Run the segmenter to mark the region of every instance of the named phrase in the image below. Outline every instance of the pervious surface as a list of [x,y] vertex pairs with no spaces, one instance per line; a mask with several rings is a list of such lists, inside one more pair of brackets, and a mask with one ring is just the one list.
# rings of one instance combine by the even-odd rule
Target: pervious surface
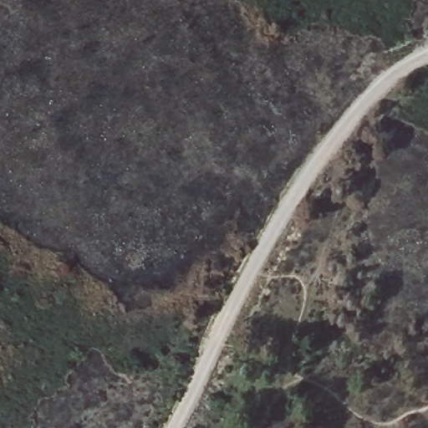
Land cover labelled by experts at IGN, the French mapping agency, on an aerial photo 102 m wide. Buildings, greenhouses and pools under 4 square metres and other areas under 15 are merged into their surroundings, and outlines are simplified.
[[374,107],[381,99],[385,99],[386,92],[395,87],[398,80],[405,79],[406,75],[423,65],[428,65],[428,43],[415,48],[405,59],[376,75],[368,89],[354,100],[343,117],[334,124],[333,129],[329,130],[324,139],[314,147],[303,166],[294,172],[293,179],[288,182],[289,189],[281,194],[278,209],[267,217],[266,227],[261,231],[256,249],[242,259],[241,267],[237,269],[239,276],[232,278],[234,288],[229,296],[221,311],[211,316],[211,324],[199,346],[199,358],[194,366],[194,374],[187,386],[186,395],[177,403],[164,428],[184,428],[187,418],[196,408],[212,366],[216,363],[217,354],[221,353],[224,341],[231,333],[237,314],[241,313],[244,318],[252,318],[257,311],[261,311],[262,298],[269,294],[269,291],[269,283],[273,279],[296,279],[301,284],[301,293],[303,298],[296,321],[303,321],[304,314],[308,314],[308,299],[308,283],[304,276],[298,273],[276,274],[278,267],[269,266],[266,262],[274,242],[278,241],[284,227],[296,211],[296,206],[303,199],[316,176],[323,172],[328,160],[341,149],[344,140],[358,127],[363,115]]
[[393,428],[410,415],[428,411],[428,405],[401,410],[395,418],[388,421],[359,413],[351,406],[348,411],[354,418],[368,421],[374,428]]

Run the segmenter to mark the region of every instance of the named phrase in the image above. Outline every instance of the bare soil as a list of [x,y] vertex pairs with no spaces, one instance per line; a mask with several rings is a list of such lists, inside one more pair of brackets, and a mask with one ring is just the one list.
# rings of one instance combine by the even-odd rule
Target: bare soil
[[383,120],[376,122],[374,134],[376,140],[383,145],[380,166],[374,169],[374,176],[381,182],[378,194],[371,197],[369,202],[364,199],[361,202],[356,201],[339,211],[329,212],[328,216],[321,219],[309,217],[308,204],[303,199],[296,206],[296,211],[284,227],[278,241],[274,242],[266,262],[269,266],[278,267],[276,274],[298,273],[304,276],[308,283],[308,299],[323,299],[334,308],[349,309],[353,304],[349,294],[343,299],[336,296],[336,286],[344,283],[344,274],[353,269],[353,257],[356,257],[363,259],[364,266],[380,264],[376,271],[368,273],[368,278],[378,279],[386,271],[403,271],[403,286],[400,293],[386,304],[385,316],[378,319],[378,323],[405,326],[406,323],[416,323],[416,314],[428,313],[428,135],[403,124],[400,120],[393,119],[391,110],[395,107],[395,102],[385,99],[381,99],[374,107],[383,114]]
[[90,351],[87,358],[80,361],[79,366],[74,369],[74,373],[70,374],[67,390],[57,391],[55,398],[40,401],[40,405],[33,411],[33,428],[149,428],[155,418],[152,403],[155,398],[149,395],[150,386],[144,386],[144,381],[137,380],[127,373],[119,373],[117,376],[110,373],[109,368],[105,368],[102,363],[100,354],[97,351]]
[[279,289],[286,289],[293,294],[301,293],[301,284],[296,279],[273,279],[269,283],[269,291],[278,298]]
[[289,189],[288,182],[293,179],[294,172],[303,166],[314,147],[324,139],[329,130],[333,129],[334,124],[343,117],[354,100],[368,89],[376,75],[405,59],[415,48],[428,43],[428,0],[415,0],[410,17],[403,23],[405,27],[410,28],[411,37],[396,43],[393,47],[381,50],[380,43],[376,42],[378,37],[374,35],[366,35],[364,38],[349,37],[344,30],[333,30],[333,27],[324,25],[289,27],[288,33],[281,32],[276,23],[271,25],[264,20],[261,8],[249,7],[242,0],[0,0],[0,222],[17,232],[18,236],[27,239],[28,244],[43,251],[55,252],[59,261],[64,262],[74,276],[87,273],[95,281],[105,284],[114,293],[117,303],[124,306],[125,311],[149,308],[159,291],[174,291],[176,286],[186,283],[187,274],[194,264],[206,264],[207,288],[226,291],[229,296],[234,288],[232,278],[239,276],[237,269],[241,267],[242,259],[256,249],[261,231],[266,227],[267,217],[278,209],[281,194]]

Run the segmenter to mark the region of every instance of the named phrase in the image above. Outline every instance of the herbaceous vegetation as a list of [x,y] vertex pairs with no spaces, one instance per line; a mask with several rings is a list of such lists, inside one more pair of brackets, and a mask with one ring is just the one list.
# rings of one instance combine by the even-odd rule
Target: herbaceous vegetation
[[324,25],[333,27],[333,30],[344,30],[349,37],[364,38],[366,35],[374,35],[378,37],[376,42],[380,43],[381,50],[393,47],[396,43],[411,37],[410,28],[405,27],[403,23],[410,17],[415,0],[242,0],[249,7],[261,8],[264,20],[271,25],[276,23],[281,32],[288,33],[289,27]]
[[405,79],[398,80],[395,87],[386,92],[385,99],[395,102],[395,107],[391,110],[393,119],[400,120],[403,124],[428,135],[428,65],[423,65],[406,75]]
[[303,298],[301,293],[293,294],[286,289],[279,289],[278,298],[269,291],[269,294],[262,298],[261,311],[257,311],[252,318],[244,318],[241,313],[237,314],[231,333],[224,341],[221,353],[217,354],[216,363],[212,366],[196,408],[187,418],[184,428],[209,428],[202,423],[211,408],[209,396],[226,386],[224,376],[227,376],[227,373],[242,366],[246,368],[246,359],[241,358],[241,351],[244,353],[249,346],[247,336],[251,334],[251,324],[259,329],[266,329],[273,338],[273,346],[267,349],[267,353],[278,359],[271,363],[271,373],[296,374],[299,371],[301,353],[299,346],[291,341],[293,336],[308,338],[311,346],[321,349],[333,341],[341,341],[341,336],[346,333],[338,324],[331,324],[334,308],[323,299],[308,299],[308,314],[304,314],[303,321],[296,321]]
[[164,428],[177,403],[186,395],[187,386],[194,374],[194,366],[199,358],[199,346],[211,324],[211,316],[221,311],[229,296],[226,291],[207,288],[206,264],[194,264],[187,274],[186,283],[176,286],[174,291],[159,291],[149,308],[125,311],[124,306],[117,303],[114,293],[105,284],[95,281],[87,273],[74,276],[64,262],[59,261],[55,252],[43,251],[28,244],[27,239],[18,236],[17,232],[0,222],[0,428],[33,428],[33,411],[40,405],[40,401],[55,398],[57,391],[67,390],[70,374],[74,373],[74,369],[79,366],[80,361],[87,358],[90,351],[97,351],[100,354],[102,363],[105,368],[109,368],[110,373],[117,376],[119,373],[127,373],[137,380],[144,381],[144,386],[150,386],[149,395],[155,398],[152,403],[155,418],[149,428]]

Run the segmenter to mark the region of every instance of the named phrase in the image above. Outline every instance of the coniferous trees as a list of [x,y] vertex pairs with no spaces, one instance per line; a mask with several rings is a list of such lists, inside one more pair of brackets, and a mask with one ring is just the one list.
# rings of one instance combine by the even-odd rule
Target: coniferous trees
[[386,271],[378,279],[368,278],[368,273],[376,271],[380,264],[364,266],[363,259],[356,257],[353,257],[353,269],[344,274],[344,283],[336,286],[336,296],[343,299],[349,294],[353,304],[349,309],[334,308],[331,324],[338,324],[346,333],[341,336],[341,341],[333,341],[321,349],[311,346],[308,338],[293,336],[291,341],[299,346],[301,353],[299,371],[296,374],[271,373],[271,363],[278,359],[267,353],[267,349],[273,346],[273,338],[266,329],[259,329],[251,324],[251,334],[247,336],[249,346],[244,353],[241,351],[241,358],[246,359],[246,368],[242,366],[227,373],[227,376],[224,376],[226,386],[209,396],[211,408],[202,423],[209,428],[374,428],[368,421],[354,418],[348,411],[351,406],[359,413],[388,421],[395,418],[401,410],[428,405],[428,313],[416,314],[416,323],[406,323],[405,326],[378,323],[378,319],[385,316],[386,304],[400,293],[403,286],[403,271]]
[[328,216],[329,212],[339,211],[356,201],[361,202],[364,199],[369,202],[371,197],[378,194],[381,182],[374,176],[374,169],[380,166],[383,145],[376,140],[374,134],[376,122],[383,120],[383,114],[374,107],[363,115],[358,127],[344,140],[341,149],[328,160],[323,172],[316,176],[303,199],[308,204],[309,217],[321,219]]
[[428,428],[428,411],[410,415],[393,428]]

